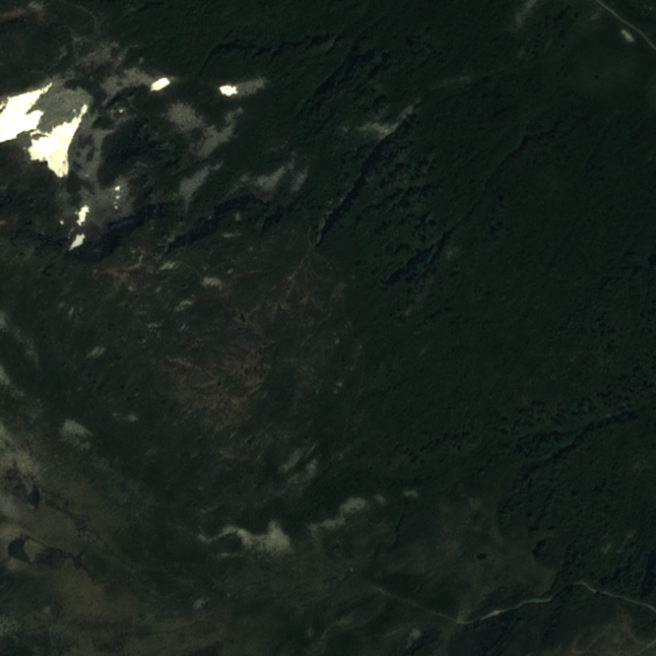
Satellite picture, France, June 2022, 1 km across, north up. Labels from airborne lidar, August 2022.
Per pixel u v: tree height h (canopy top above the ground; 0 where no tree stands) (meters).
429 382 6
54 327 0
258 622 0
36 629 0
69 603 0
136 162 0
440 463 9
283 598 0
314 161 0
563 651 0
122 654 0
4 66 0
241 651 0
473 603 0
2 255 0
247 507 0
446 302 9
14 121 0
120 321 0
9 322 0
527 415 14
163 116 0
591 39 0
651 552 6
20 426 0
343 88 9
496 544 0
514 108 10
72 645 0
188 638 0
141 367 0
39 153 0
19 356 0
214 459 0
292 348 0
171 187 6
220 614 0
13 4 0
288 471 0
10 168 0
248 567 0
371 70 10
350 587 0
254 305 0
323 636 0
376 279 7
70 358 0
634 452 7
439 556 0
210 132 0
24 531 0
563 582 6
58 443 0
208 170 0
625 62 0
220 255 0
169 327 0
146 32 0
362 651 0
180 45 6
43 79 0
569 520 7
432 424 0
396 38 9
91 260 0
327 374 0
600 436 6
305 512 7
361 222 7
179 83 0
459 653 0
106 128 0
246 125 0
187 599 0
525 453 16
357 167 14
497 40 8
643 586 6
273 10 8
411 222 13
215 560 0
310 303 0
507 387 0
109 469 0
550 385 0
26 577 0
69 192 0
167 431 0
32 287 0
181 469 0
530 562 0
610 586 10
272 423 0
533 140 7
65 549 0
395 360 9
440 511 0
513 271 6
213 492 0
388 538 0
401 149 15
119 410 0
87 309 0
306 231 0
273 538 0
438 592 0
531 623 7
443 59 8
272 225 8
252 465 0
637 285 7
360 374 0
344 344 0
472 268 8
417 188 17
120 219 0
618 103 0
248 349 0
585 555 11
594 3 0
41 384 0
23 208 0
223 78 0
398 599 0
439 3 14
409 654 8
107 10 0
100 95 0
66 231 0
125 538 0
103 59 0
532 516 10
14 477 0
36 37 0
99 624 0
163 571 0
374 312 0
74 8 0
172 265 0
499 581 0
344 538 0
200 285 0
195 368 0
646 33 0
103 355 0
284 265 0
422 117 6
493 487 0
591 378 9
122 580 0
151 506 0
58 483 0
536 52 8
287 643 0
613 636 0
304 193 7
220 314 0
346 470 5
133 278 0
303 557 0
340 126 8
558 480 7
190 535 0
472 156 13
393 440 6
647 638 0
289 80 7
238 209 8
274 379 0
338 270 0
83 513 0
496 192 7
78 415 0
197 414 0
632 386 12
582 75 0
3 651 6
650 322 9
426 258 29
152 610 0
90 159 0
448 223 8
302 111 7
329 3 7
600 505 8
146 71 0
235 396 0
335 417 0
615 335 20
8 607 0
